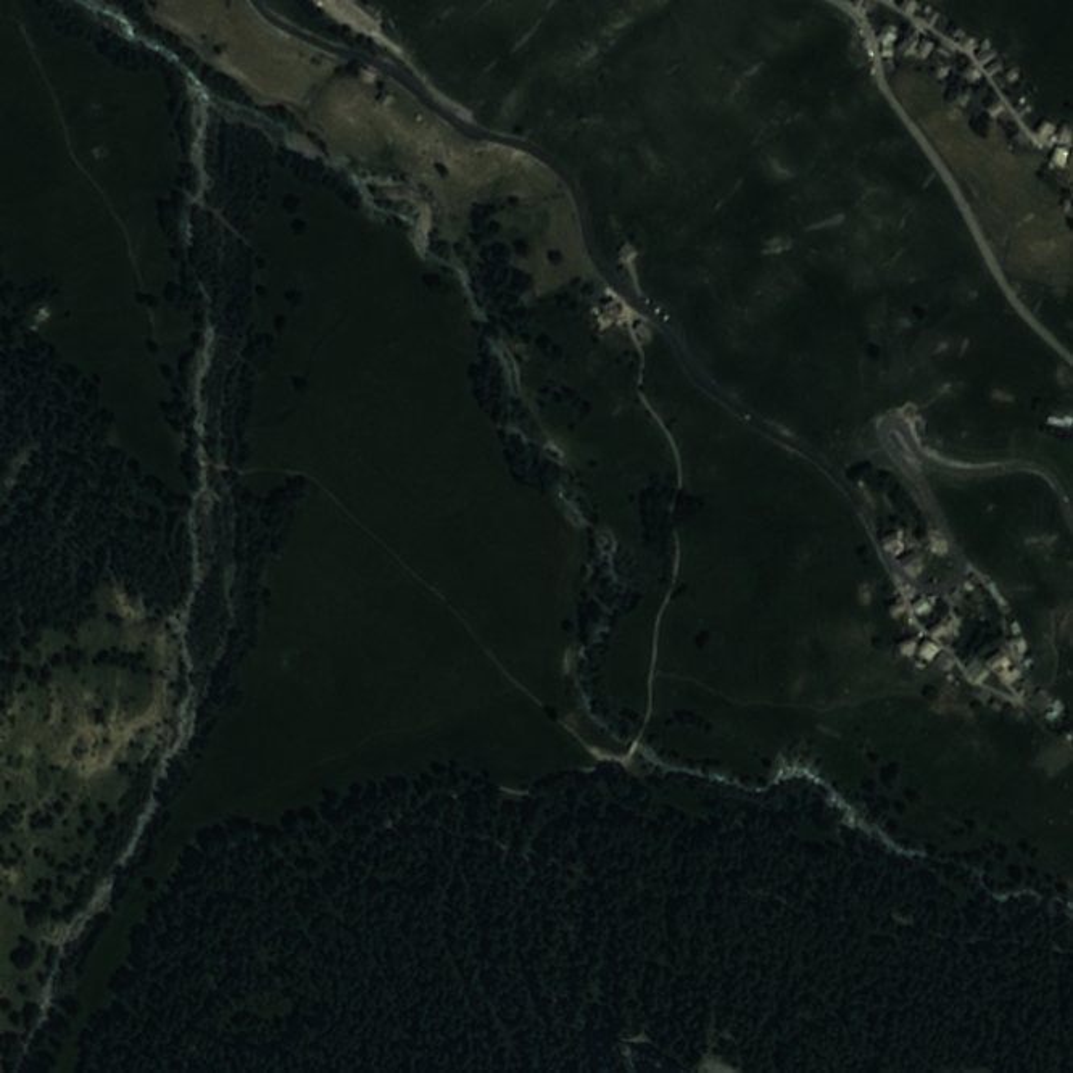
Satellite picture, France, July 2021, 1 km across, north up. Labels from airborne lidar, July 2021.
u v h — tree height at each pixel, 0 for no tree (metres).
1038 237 0
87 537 34
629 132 0
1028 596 0
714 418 0
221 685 24
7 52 0
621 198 0
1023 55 0
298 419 0
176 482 0
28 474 22
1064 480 0
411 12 0
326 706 0
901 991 13
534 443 7
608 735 6
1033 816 0
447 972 22
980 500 0
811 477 0
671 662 0
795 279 0
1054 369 0
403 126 0
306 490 12
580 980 29
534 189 0
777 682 0
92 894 6
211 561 10
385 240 0
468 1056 26
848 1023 26
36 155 0
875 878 30
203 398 7
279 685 0
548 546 0
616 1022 19
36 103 0
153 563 30
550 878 17
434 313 0
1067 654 0
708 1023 19
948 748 0
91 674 0
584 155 0
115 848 9
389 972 24
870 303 0
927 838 0
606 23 0
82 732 0
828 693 0
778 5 0
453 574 0
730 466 0
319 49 0
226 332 9
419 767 0
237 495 11
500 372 15
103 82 0
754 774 0
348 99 0
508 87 0
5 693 10
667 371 0
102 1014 0
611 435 0
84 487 28
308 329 0
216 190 7
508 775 0
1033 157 0
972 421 0
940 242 0
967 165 0
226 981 13
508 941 22
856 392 0
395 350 0
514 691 0
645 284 0
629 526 0
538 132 0
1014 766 0
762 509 0
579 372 0
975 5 0
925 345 0
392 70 0
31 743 0
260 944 29
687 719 17
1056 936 19
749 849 19
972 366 0
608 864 16
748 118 0
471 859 17
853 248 0
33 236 0
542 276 0
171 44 16
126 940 0
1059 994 11
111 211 0
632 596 11
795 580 0
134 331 0
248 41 0
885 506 0
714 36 0
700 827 0
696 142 0
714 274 0
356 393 0
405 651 0
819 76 0
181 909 16
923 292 0
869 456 0
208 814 0
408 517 0
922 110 0
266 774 0
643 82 0
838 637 0
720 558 0
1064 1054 16
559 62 0
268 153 19
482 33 0
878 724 0
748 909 28
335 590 0
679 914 32
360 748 0
